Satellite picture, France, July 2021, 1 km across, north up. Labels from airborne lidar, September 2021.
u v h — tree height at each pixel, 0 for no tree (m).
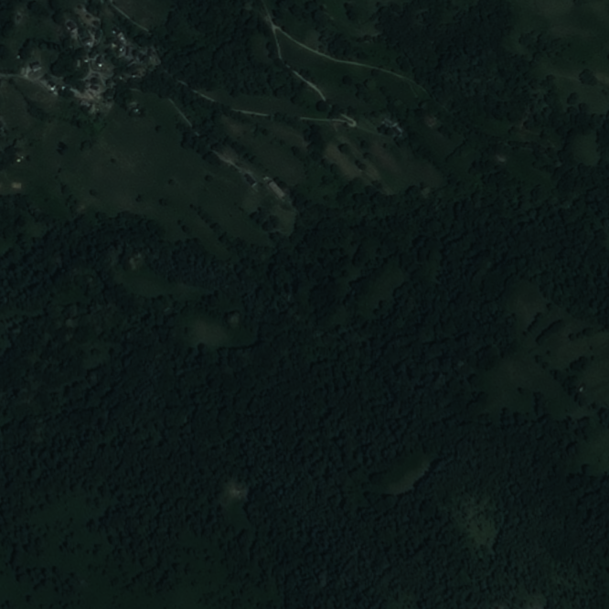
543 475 24
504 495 14
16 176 0
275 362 11
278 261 27
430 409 31
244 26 11
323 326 15
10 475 16
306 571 19
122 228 30
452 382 27
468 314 23
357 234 21
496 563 12
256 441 8
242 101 0
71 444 21
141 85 16
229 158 0
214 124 14
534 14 0
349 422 18
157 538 19
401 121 16
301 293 30
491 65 21
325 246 10
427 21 14
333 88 0
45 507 11
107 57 8
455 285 21
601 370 0
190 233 8
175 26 16
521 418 21
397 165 0
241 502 0
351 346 19
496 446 29
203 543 0
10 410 24
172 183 12
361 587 24
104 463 21
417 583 20
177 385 30
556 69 0
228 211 0
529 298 0
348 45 13
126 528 15
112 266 17
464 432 23
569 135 13
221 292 14
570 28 0
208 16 20
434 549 24
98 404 22
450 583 21
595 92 0
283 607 8
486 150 13
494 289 13
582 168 14
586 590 9
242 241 13
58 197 0
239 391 11
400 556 9
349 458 20
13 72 10
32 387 24
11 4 9
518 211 26
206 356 20
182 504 19
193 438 22
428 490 24
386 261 8
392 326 24
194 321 0
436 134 0
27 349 23
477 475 18
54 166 0
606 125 19
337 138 0
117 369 14
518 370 0
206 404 20
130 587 10
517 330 10
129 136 0
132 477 18
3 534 8
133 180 0
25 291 9
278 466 16
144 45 19
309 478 23
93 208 0
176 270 12
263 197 0
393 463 21
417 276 23
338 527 16
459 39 24
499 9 16
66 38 12
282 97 22
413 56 18
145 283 0
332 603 22
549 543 16
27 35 0
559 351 0
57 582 13
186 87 13
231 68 11
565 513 27
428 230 21
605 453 0
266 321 21
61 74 11
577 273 15
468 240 22
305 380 20
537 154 14
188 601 0
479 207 22
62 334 17
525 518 23
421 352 19
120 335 9
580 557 15
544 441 21
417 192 19
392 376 21
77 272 25
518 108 6
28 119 0
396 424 19
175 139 0
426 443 20
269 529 12
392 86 0
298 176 0
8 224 7
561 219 9
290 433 18
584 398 18
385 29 12
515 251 25
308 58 0
